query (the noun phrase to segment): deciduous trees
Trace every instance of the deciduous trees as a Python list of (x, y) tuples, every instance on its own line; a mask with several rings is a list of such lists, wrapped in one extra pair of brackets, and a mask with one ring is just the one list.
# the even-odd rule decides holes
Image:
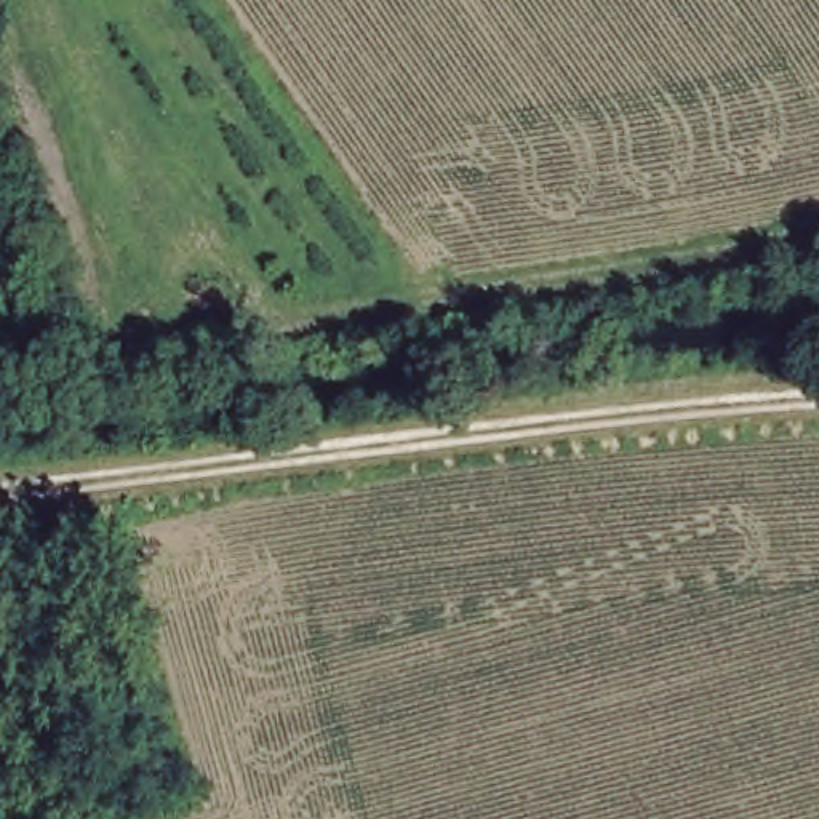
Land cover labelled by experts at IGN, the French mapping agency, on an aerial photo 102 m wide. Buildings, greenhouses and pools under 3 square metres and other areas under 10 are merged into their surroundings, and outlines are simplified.
[(160, 611), (150, 608), (141, 595), (141, 566), (147, 566), (150, 560), (141, 547), (144, 537), (131, 534), (128, 528), (118, 525), (118, 518), (99, 512), (93, 525), (83, 525), (77, 512), (51, 512), (48, 518), (29, 521), (29, 509), (22, 505), (0, 509), (0, 819), (186, 819), (208, 800), (211, 781), (202, 771), (195, 771), (176, 726), (166, 672), (157, 653)]
[[(109, 342), (106, 352), (99, 352), (99, 342), (109, 336), (109, 330), (90, 320), (86, 301), (77, 294), (80, 259), (67, 234), (67, 221), (48, 198), (48, 179), (38, 163), (35, 144), (19, 125), (6, 125), (0, 118), (0, 467), (6, 473), (22, 473), (26, 480), (45, 473), (51, 480), (54, 470), (106, 467), (109, 457), (163, 461), (179, 457), (182, 451), (214, 454), (224, 448), (272, 454), (320, 438), (410, 425), (448, 425), (451, 435), (464, 435), (470, 419), (515, 416), (509, 400), (550, 400), (563, 390), (589, 390), (608, 378), (624, 384), (643, 384), (694, 378), (707, 371), (758, 371), (777, 384), (797, 387), (816, 403), (819, 403), (819, 234), (806, 259), (787, 246), (768, 250), (765, 259), (723, 272), (717, 278), (685, 278), (656, 291), (646, 288), (633, 294), (611, 294), (608, 285), (589, 285), (585, 298), (573, 304), (547, 304), (521, 314), (518, 304), (505, 304), (493, 314), (486, 326), (477, 326), (473, 317), (467, 317), (464, 310), (435, 320), (429, 310), (410, 310), (406, 320), (378, 330), (374, 339), (358, 342), (339, 336), (326, 342), (326, 336), (294, 339), (294, 333), (275, 333), (262, 320), (256, 326), (250, 323), (237, 330), (230, 320), (218, 333), (198, 326), (182, 333), (179, 339), (157, 339), (141, 355), (125, 355), (118, 342)], [(729, 358), (717, 352), (653, 352), (637, 349), (630, 342), (633, 330), (653, 330), (659, 320), (707, 326), (726, 310), (765, 310), (755, 320), (755, 326), (739, 339)], [(339, 381), (371, 365), (384, 365), (384, 358), (390, 358), (406, 374), (406, 390), (397, 400), (390, 400), (387, 394), (371, 397), (358, 390), (342, 397), (333, 410), (323, 410), (320, 400), (304, 387), (304, 374)]]

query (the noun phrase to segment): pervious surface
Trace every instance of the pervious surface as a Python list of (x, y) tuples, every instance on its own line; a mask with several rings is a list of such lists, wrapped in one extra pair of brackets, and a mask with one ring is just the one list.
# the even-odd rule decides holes
[(438, 448), (477, 448), (493, 441), (525, 441), (566, 432), (752, 413), (813, 413), (816, 403), (797, 387), (777, 384), (771, 390), (745, 394), (707, 394), (515, 416), (470, 419), (464, 435), (451, 435), (448, 425), (410, 425), (320, 438), (272, 454), (224, 448), (214, 454), (182, 451), (179, 457), (163, 461), (109, 457), (106, 467), (54, 470), (51, 480), (45, 473), (26, 480), (22, 473), (6, 473), (0, 467), (0, 509), (22, 505), (29, 496), (51, 499), (61, 489), (61, 483), (80, 483), (80, 493), (96, 496), (157, 483), (272, 473)]

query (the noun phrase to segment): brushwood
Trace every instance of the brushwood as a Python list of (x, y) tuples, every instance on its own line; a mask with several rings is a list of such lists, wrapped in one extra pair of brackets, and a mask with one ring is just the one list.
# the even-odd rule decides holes
[(218, 131), (237, 170), (250, 179), (262, 176), (259, 154), (246, 141), (246, 134), (237, 125), (224, 122)]
[(154, 83), (154, 80), (150, 80), (147, 67), (144, 67), (144, 64), (134, 64), (134, 67), (131, 67), (131, 77), (134, 77), (134, 83), (141, 86), (141, 93), (147, 96), (147, 102), (150, 102), (150, 106), (160, 106), (160, 90), (157, 90), (157, 83)]
[(266, 189), (262, 202), (269, 205), (269, 211), (282, 221), (285, 230), (294, 230), (298, 218), (288, 195), (282, 189)]
[(259, 125), (259, 131), (278, 147), (278, 157), (288, 166), (298, 166), (307, 157), (294, 144), (288, 125), (259, 96), (259, 86), (240, 64), (240, 51), (221, 58), (218, 48), (227, 42), (227, 35), (214, 26), (208, 13), (195, 6), (195, 0), (173, 0), (179, 10), (186, 10), (189, 29), (202, 38), (211, 61), (221, 64), (221, 74), (234, 86), (240, 106)]
[(323, 186), (320, 176), (307, 176), (304, 189), (310, 202), (333, 227), (333, 234), (346, 243), (349, 256), (358, 262), (371, 259), (374, 240), (362, 234), (362, 227), (352, 218), (342, 214), (336, 192)]

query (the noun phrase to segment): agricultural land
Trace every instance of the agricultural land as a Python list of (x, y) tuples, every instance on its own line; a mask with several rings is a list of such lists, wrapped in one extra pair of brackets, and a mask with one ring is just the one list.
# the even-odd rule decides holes
[(378, 218), (381, 230), (397, 243), (403, 262), (410, 262), (416, 272), (441, 266), (457, 282), (470, 285), (477, 275), (509, 272), (518, 262), (566, 262), (582, 256), (611, 256), (624, 250), (659, 250), (669, 243), (685, 243), (697, 234), (761, 230), (765, 224), (777, 221), (790, 202), (819, 202), (819, 0), (224, 0), (240, 32), (269, 61), (294, 106), (304, 112), (307, 125), (336, 154), (362, 205)]
[(611, 454), (601, 448), (598, 457), (547, 461), (512, 470), (470, 470), (422, 480), (390, 480), (362, 489), (339, 489), (298, 499), (240, 499), (227, 509), (128, 528), (131, 534), (144, 537), (141, 547), (150, 560), (147, 566), (141, 566), (141, 595), (150, 608), (160, 611), (157, 653), (166, 672), (176, 726), (195, 771), (202, 771), (211, 781), (208, 800), (186, 819), (819, 819), (819, 438), (681, 448), (659, 454)]

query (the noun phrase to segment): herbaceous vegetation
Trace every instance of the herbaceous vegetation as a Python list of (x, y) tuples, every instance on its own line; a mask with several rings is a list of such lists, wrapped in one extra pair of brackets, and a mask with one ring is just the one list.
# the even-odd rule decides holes
[(509, 400), (515, 416), (707, 394), (745, 394), (771, 390), (777, 384), (758, 371), (707, 371), (694, 378), (643, 384), (624, 384), (608, 378), (589, 390), (563, 390), (550, 400)]
[(653, 330), (633, 330), (630, 342), (637, 349), (653, 352), (717, 352), (729, 358), (739, 339), (755, 326), (755, 320), (765, 310), (726, 310), (707, 326), (659, 320)]
[(384, 365), (371, 365), (339, 381), (304, 374), (304, 387), (320, 400), (323, 410), (333, 410), (342, 397), (358, 390), (371, 397), (387, 394), (390, 400), (397, 400), (406, 390), (406, 374), (390, 358), (384, 358)]
[[(685, 243), (669, 243), (659, 250), (624, 250), (611, 256), (582, 256), (566, 262), (518, 262), (509, 272), (477, 275), (470, 285), (457, 282), (441, 266), (416, 272), (410, 262), (403, 262), (397, 243), (381, 230), (378, 218), (362, 205), (336, 154), (307, 125), (304, 112), (294, 106), (269, 61), (240, 32), (224, 0), (195, 0), (195, 6), (208, 13), (214, 26), (227, 35), (227, 42), (218, 48), (221, 58), (240, 51), (240, 64), (259, 86), (259, 96), (288, 125), (294, 144), (307, 157), (298, 166), (288, 166), (278, 157), (278, 147), (259, 131), (259, 125), (240, 106), (234, 86), (221, 74), (221, 64), (211, 61), (202, 38), (189, 29), (186, 10), (179, 10), (173, 0), (0, 0), (0, 118), (6, 125), (19, 125), (35, 144), (38, 163), (48, 179), (48, 198), (67, 221), (67, 234), (80, 259), (77, 294), (86, 301), (90, 320), (109, 330), (109, 336), (99, 342), (99, 352), (106, 352), (109, 342), (118, 342), (125, 355), (141, 355), (157, 339), (179, 339), (182, 333), (198, 326), (218, 333), (230, 320), (237, 330), (250, 323), (256, 326), (262, 320), (275, 333), (294, 333), (294, 339), (326, 336), (326, 342), (339, 336), (358, 342), (374, 339), (378, 330), (406, 320), (410, 310), (429, 310), (435, 320), (464, 310), (467, 317), (473, 317), (477, 326), (486, 326), (493, 314), (505, 304), (518, 304), (521, 314), (547, 304), (573, 304), (585, 298), (589, 285), (608, 285), (611, 294), (633, 294), (646, 288), (656, 291), (685, 278), (717, 278), (723, 272), (765, 259), (768, 250), (787, 246), (806, 259), (819, 234), (819, 202), (790, 202), (777, 221), (765, 224), (761, 230), (697, 234)], [(160, 90), (160, 106), (150, 106), (150, 102), (147, 102), (147, 96), (141, 93), (141, 86), (134, 83), (134, 77), (131, 77), (131, 67), (134, 67), (134, 64), (144, 64), (144, 67), (147, 67), (150, 80), (154, 80), (154, 83), (157, 83), (157, 90)], [(237, 170), (218, 131), (224, 122), (237, 125), (246, 134), (246, 141), (259, 154), (262, 176), (250, 179)], [(336, 192), (342, 214), (352, 218), (362, 227), (362, 234), (374, 240), (371, 259), (358, 262), (349, 256), (346, 243), (333, 234), (333, 227), (310, 202), (304, 189), (307, 176), (320, 176), (323, 186)], [(269, 211), (269, 205), (262, 202), (266, 189), (282, 189), (288, 195), (298, 218), (294, 230), (285, 230), (282, 221)]]
[(601, 448), (611, 454), (659, 454), (681, 448), (819, 438), (819, 403), (816, 403), (813, 413), (752, 413), (566, 432), (525, 441), (493, 441), (477, 448), (438, 448), (272, 473), (157, 483), (96, 496), (80, 493), (80, 483), (61, 483), (61, 489), (51, 499), (29, 496), (22, 505), (29, 509), (29, 521), (48, 518), (51, 512), (77, 512), (83, 525), (93, 525), (99, 512), (118, 518), (118, 525), (128, 528), (227, 509), (240, 499), (298, 499), (339, 489), (362, 489), (390, 480), (422, 480), (470, 470), (512, 470), (547, 461), (598, 457)]

